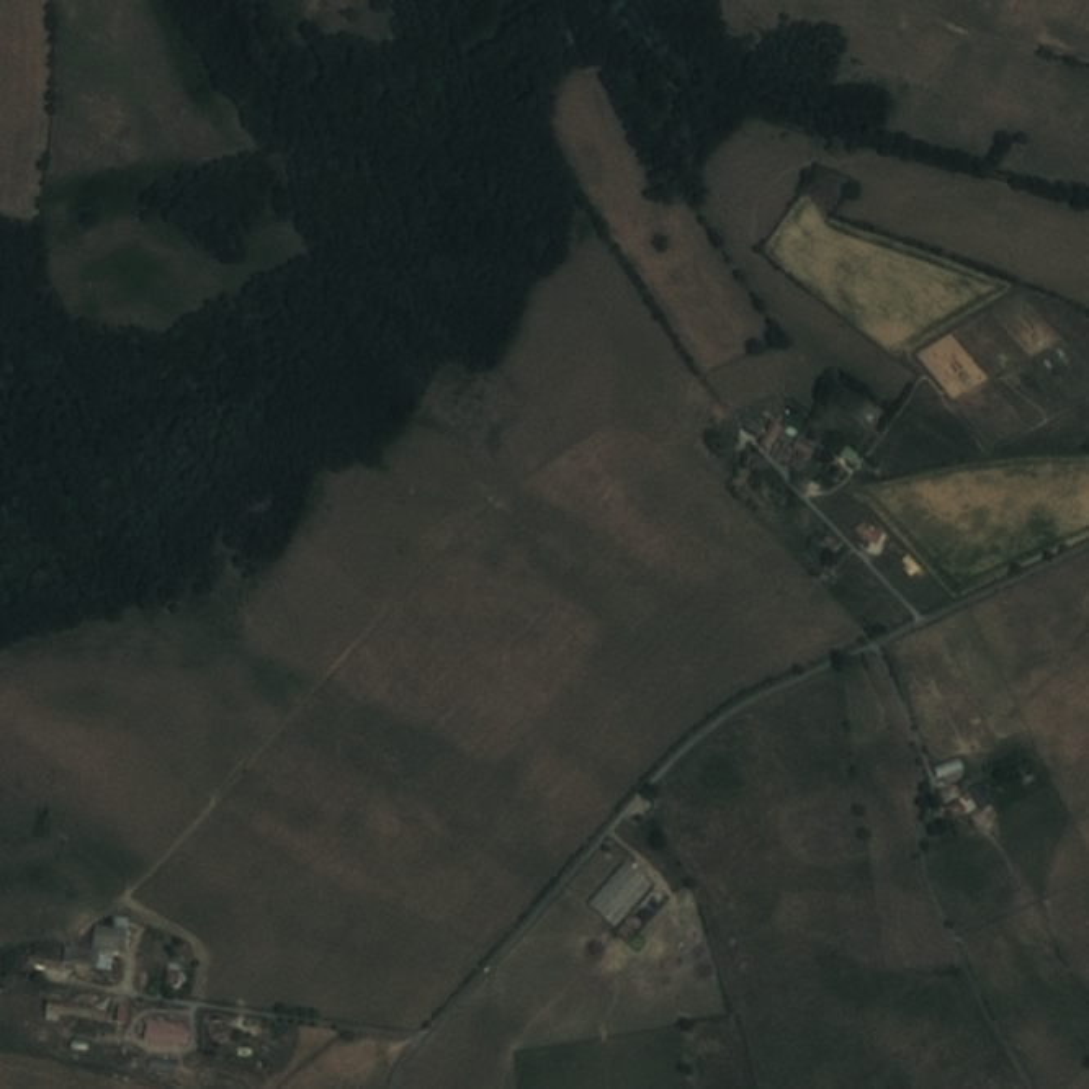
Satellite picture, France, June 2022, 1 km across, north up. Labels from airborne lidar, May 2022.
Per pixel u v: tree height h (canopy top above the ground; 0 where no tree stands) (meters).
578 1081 0
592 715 0
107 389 14
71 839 0
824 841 0
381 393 15
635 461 0
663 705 0
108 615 18
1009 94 0
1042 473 0
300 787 0
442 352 8
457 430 0
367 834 0
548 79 19
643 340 0
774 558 0
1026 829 0
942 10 0
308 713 0
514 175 17
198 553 15
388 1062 0
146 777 0
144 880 0
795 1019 0
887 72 0
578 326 0
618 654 0
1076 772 0
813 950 0
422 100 17
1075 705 0
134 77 0
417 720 0
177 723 0
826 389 15
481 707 0
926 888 0
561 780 0
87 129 0
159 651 0
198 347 16
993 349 0
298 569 0
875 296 0
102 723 0
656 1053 0
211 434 15
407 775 0
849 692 0
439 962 0
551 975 0
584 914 0
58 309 8
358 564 0
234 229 17
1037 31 0
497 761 0
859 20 0
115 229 0
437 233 15
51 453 21
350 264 27
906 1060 0
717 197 0
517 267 13
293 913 0
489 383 0
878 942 0
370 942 0
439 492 0
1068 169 0
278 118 17
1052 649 0
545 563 0
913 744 5
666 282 0
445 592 0
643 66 20
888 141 17
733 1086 0
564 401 0
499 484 0
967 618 0
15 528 16
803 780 0
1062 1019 0
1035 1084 0
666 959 0
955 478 0
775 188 0
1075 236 0
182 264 0
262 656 0
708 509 0
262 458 13
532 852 0
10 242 14
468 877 0
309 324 21
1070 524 0
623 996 0
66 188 0
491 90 18
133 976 0
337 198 10
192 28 17
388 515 0
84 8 0
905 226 0
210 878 0
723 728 0
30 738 0
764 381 0
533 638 0
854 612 0
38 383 24
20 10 0
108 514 14
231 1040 9
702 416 0
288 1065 0
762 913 0
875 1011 0
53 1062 0
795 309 0
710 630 0
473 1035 0
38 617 15
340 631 0
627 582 0
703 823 0
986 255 0
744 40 7
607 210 0
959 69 0
